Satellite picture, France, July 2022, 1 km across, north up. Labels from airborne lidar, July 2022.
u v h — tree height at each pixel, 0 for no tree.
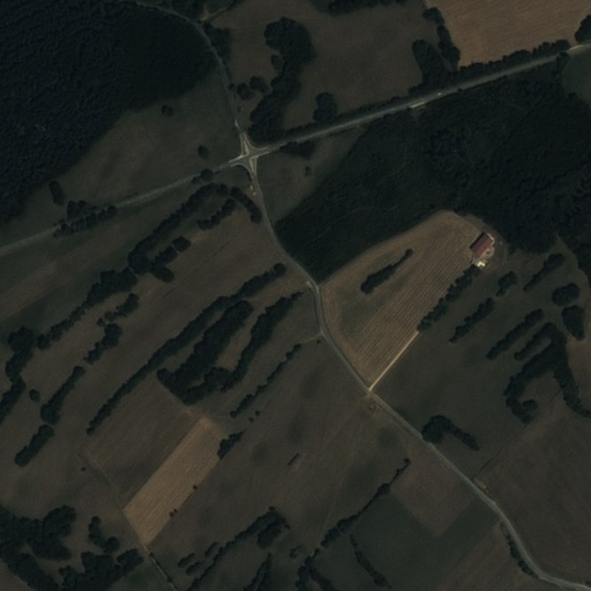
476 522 0
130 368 0
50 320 0
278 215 0
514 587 0
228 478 0
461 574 0
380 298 0
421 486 0
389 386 0
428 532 0
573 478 0
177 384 18
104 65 18
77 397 0
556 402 0
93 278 0
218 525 0
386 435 0
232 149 0
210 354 19
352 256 0
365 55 0
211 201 0
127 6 16
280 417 0
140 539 0
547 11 0
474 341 0
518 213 19
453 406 0
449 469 0
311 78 0
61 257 0
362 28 0
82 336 0
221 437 0
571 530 0
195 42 14
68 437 0
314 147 9
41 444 14
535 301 0
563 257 13
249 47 0
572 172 15
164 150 0
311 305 0
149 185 0
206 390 17
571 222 18
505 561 0
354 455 0
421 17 0
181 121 0
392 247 0
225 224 0
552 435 0
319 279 0
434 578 0
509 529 0
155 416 0
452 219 0
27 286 0
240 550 0
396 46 0
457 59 19
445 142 31
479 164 7
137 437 0
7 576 0
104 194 0
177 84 16
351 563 0
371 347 0
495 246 0
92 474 0
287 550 0
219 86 0
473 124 8
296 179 0
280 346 0
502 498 0
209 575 9
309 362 0
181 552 0
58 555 17
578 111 12
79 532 0
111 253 0
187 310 0
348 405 0
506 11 0
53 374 0
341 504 0
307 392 0
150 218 0
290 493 0
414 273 0
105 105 25
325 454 0
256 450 0
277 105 19
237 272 0
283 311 18
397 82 0
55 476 0
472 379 0
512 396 15
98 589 16
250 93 15
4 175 31
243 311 16
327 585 18
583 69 0
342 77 0
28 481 0
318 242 5
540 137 10
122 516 0
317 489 0
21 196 17
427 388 0
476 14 0
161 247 0
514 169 11
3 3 27
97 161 0
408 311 0
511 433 0
